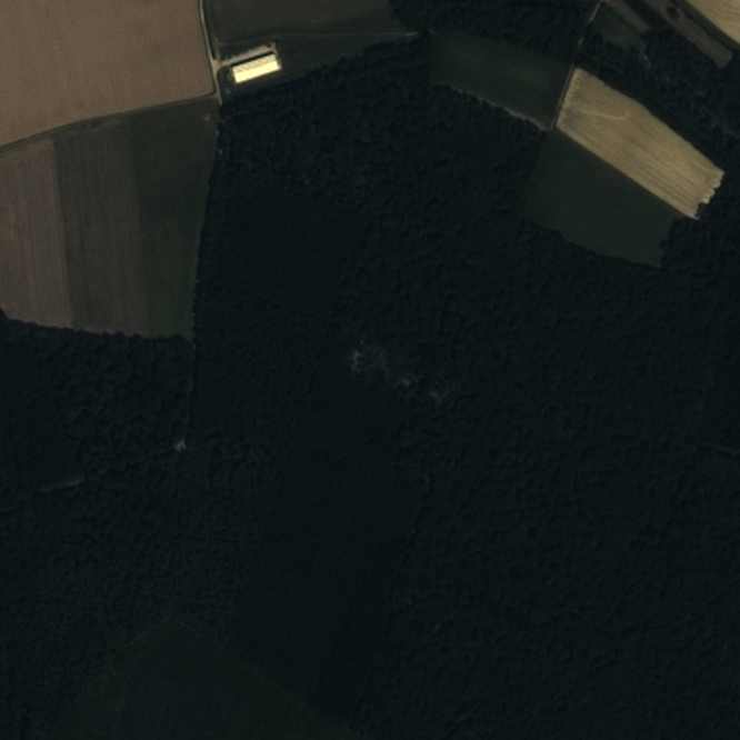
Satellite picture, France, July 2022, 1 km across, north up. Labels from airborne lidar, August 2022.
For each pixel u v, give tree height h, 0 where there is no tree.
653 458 28
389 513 13
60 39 0
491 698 22
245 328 15
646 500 28
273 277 12
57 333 13
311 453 12
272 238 14
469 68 0
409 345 22
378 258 21
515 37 24
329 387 12
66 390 16
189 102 0
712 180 0
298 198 14
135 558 13
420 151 26
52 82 0
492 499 26
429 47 18
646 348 28
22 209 0
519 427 22
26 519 24
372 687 18
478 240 22
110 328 0
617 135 0
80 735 0
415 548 25
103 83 0
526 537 27
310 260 12
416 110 23
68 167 0
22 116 0
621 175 0
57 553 21
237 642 15
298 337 16
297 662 14
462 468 25
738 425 7
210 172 0
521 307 31
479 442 21
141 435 25
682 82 27
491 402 16
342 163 23
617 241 0
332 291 12
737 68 18
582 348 26
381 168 24
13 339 10
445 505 25
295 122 25
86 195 0
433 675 17
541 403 24
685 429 26
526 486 25
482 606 24
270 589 14
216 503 18
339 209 13
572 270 21
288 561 12
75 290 0
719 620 27
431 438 22
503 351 20
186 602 7
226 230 22
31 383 7
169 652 0
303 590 14
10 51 0
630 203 0
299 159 23
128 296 0
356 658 20
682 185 0
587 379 29
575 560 29
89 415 26
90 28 0
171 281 0
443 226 27
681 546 25
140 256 0
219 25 0
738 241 25
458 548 22
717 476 23
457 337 26
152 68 0
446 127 28
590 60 15
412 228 26
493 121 26
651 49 22
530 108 0
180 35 0
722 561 23
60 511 23
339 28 0
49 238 0
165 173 0
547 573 25
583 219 0
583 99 0
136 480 24
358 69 24
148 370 26
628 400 30
